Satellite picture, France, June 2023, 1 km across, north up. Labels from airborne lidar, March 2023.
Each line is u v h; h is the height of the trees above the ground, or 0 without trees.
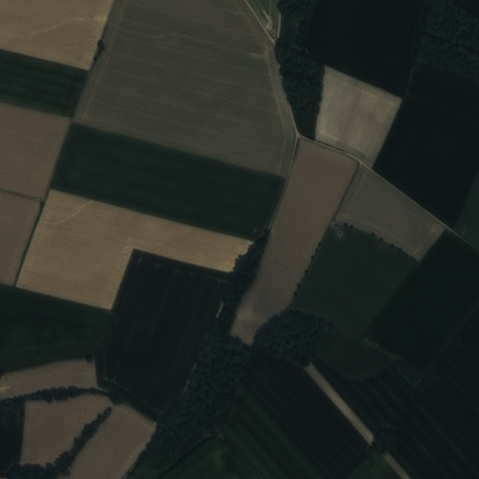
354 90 0
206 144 0
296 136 0
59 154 0
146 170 0
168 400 0
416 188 0
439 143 0
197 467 0
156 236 0
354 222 0
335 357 0
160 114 0
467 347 0
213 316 0
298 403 0
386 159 0
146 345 0
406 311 0
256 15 0
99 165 0
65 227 0
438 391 0
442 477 0
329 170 0
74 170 0
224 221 0
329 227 0
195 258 0
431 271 0
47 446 0
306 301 0
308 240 0
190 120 0
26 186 0
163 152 0
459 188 0
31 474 23
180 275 0
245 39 0
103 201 0
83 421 0
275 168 0
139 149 0
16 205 0
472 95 0
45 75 0
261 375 0
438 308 0
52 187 0
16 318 0
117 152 0
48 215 0
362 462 0
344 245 0
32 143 0
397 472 0
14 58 0
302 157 0
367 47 0
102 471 0
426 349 0
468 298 0
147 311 0
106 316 0
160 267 0
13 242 0
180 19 0
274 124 0
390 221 0
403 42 0
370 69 0
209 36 0
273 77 0
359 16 0
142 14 0
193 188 0
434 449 0
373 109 0
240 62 0
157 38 0
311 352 17
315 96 20
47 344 0
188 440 0
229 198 0
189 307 0
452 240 0
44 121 0
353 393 0
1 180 0
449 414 0
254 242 0
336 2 0
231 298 16
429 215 0
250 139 0
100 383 0
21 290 0
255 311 0
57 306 0
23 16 0
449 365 0
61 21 0
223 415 14
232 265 0
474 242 0
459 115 0
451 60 17
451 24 9
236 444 0
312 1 17
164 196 0
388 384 0
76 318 0
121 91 0
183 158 0
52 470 25
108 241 0
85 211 0
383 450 20
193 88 0
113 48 0
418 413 0
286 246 0
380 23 0
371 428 0
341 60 0
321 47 0
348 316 0
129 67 0
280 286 0
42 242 0
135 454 0
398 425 0
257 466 0
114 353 0
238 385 0
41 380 0
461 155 0
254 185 0
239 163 0
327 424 0
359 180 0
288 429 0
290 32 0
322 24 0
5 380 0
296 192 0
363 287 0
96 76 0
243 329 0
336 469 0
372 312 0
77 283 0
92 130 0
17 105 0
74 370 0
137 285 0
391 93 0
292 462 0
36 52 0
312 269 0
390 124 0
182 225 0
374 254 0
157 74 0
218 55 0
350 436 0
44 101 0
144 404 0
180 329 0
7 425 0
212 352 23
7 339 0
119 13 0
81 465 0
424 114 0
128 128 0
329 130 0
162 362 0
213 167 0
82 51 0
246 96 0
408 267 0
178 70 0
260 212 0
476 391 0
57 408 0
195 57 0
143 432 0
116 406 0
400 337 0
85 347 0
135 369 0
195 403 21
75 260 0
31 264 0
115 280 0
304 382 0
